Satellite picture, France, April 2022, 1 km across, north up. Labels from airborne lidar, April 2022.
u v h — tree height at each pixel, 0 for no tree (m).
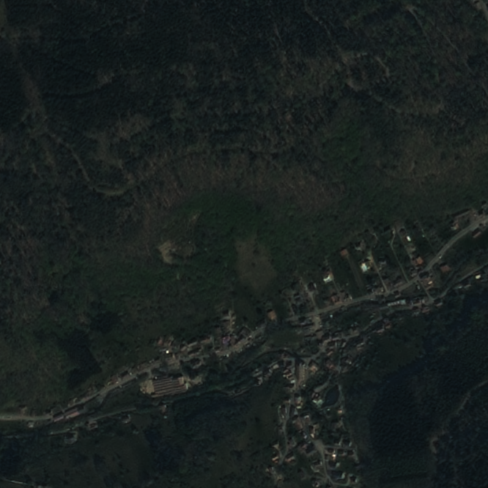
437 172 27
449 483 28
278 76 25
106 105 18
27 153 33
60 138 26
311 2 32
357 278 0
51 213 36
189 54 26
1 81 27
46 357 9
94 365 19
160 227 27
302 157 26
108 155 19
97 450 0
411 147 14
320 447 0
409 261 15
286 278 17
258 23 31
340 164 30
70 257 31
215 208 11
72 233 29
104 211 17
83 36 16
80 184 19
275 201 26
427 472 21
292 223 19
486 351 15
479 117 26
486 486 13
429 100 14
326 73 10
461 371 11
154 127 26
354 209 28
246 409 9
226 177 28
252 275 0
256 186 26
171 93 19
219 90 21
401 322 0
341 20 32
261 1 31
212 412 20
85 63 19
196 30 23
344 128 15
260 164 21
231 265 9
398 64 25
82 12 23
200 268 16
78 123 17
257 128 23
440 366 11
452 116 26
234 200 17
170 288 15
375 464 22
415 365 0
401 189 16
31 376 18
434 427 15
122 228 15
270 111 11
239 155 25
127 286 19
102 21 22
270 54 28
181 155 27
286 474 10
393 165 17
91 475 0
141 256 28
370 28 30
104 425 8
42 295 27
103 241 17
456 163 29
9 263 29
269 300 7
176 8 32
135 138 20
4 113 26
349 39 31
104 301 21
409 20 24
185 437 6
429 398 20
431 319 6
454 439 22
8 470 28
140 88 21
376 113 19
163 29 23
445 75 32
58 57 20
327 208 12
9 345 24
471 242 0
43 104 22
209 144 24
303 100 31
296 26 32
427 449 18
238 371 16
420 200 27
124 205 21
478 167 28
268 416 0
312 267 9
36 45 22
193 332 14
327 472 0
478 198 15
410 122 18
